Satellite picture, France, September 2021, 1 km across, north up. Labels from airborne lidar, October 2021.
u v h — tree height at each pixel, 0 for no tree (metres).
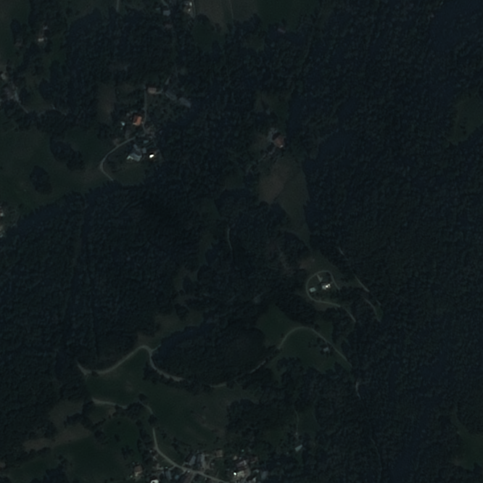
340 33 22
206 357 18
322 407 21
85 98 31
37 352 18
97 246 25
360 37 25
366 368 29
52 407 9
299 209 0
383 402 25
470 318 23
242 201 21
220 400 0
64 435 0
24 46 21
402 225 26
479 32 24
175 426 0
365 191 20
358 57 16
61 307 23
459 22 26
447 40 22
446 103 33
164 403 0
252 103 7
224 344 8
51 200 0
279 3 0
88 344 24
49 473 0
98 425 11
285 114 0
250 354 7
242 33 23
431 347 26
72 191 0
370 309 12
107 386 0
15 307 28
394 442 24
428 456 22
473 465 0
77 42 25
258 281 20
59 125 9
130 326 20
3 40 0
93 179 0
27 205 0
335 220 32
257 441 20
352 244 23
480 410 20
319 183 25
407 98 31
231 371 21
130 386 0
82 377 23
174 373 15
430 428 21
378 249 20
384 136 12
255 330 11
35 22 19
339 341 17
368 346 25
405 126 29
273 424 15
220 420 0
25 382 17
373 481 27
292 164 0
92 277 20
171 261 14
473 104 0
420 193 24
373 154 25
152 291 16
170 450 0
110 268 25
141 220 8
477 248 26
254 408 18
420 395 30
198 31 0
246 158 18
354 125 28
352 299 22
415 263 21
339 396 23
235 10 0
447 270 28
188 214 21
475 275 27
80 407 0
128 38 28
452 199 30
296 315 14
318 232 18
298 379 25
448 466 20
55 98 23
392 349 28
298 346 0
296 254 9
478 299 36
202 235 20
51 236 21
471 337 21
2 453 16
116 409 10
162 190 24
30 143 0
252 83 9
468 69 21
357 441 22
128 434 0
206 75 7
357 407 28
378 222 24
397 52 28
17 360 23
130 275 24
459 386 23
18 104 14
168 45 22
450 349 21
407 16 22
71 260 20
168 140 24
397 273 19
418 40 22
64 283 23
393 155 17
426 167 27
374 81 28
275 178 0
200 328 0
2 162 0
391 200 29
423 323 22
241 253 6
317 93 32
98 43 23
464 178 14
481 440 0
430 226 27
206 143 25
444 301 18
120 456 0
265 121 18
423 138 31
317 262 0
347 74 32
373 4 27
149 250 18
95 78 18
